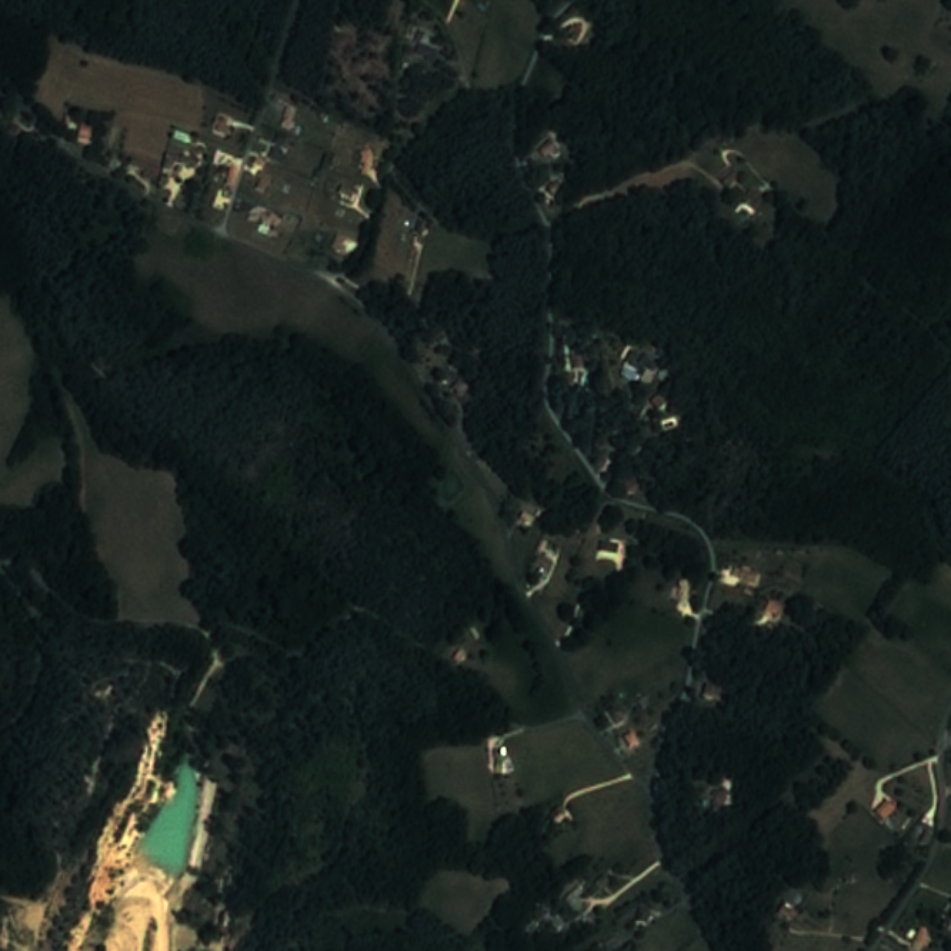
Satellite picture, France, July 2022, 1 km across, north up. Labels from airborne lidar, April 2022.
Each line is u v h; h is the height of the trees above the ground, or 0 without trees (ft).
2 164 58
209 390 97
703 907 42
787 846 48
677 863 73
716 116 62
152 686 28
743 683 67
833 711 0
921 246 51
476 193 45
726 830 65
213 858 0
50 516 78
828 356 50
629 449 93
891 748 0
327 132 0
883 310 30
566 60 53
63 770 46
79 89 0
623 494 53
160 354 0
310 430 32
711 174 0
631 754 0
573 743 0
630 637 0
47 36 37
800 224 63
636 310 50
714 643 40
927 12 0
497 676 0
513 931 59
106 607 24
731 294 76
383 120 57
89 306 77
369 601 34
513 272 70
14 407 0
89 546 87
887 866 46
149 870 0
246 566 60
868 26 0
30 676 74
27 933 0
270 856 49
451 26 0
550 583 0
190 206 38
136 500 0
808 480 38
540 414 53
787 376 65
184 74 50
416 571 27
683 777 86
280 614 88
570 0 71
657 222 86
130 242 54
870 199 71
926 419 69
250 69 31
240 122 0
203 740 59
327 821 21
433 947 49
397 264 0
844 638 52
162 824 0
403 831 57
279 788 41
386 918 0
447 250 0
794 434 39
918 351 37
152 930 0
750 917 64
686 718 68
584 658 0
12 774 52
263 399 86
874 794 0
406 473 48
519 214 75
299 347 35
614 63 73
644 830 0
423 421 0
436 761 0
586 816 0
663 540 58
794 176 0
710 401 70
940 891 0
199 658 46
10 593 62
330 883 45
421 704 62
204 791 0
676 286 83
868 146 53
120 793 46
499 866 42
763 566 0
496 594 38
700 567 45
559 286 60
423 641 32
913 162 69
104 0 43
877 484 24
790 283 86
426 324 77
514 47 0
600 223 78
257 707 47
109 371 0
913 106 71
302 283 0
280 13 46
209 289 0
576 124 83
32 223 45
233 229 0
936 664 0
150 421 72
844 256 39
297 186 0
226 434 81
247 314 0
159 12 55
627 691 0
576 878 37
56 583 66
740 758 50
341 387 53
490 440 44
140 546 0
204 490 81
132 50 49
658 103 69
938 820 22
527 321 61
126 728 52
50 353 51
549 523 68
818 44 65
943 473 74
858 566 0
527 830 53
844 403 41
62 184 50
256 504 39
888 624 69
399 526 42
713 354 58
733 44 63
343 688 62
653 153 46
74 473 47
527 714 0
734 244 71
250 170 0
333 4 51
